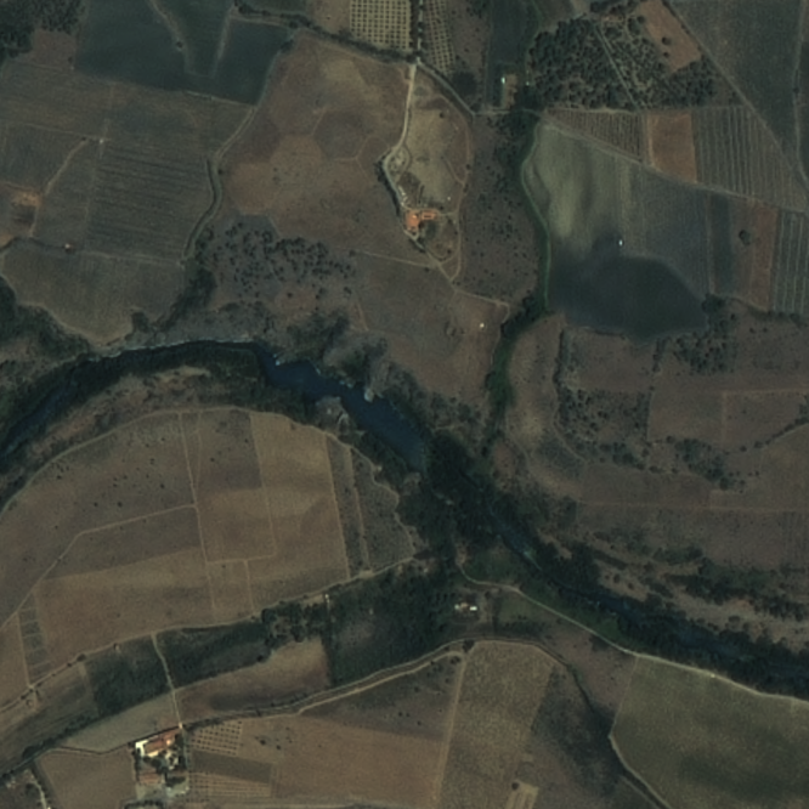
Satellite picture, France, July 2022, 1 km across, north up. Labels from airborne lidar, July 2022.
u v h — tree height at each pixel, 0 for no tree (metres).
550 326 0
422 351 0
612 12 9
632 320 0
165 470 0
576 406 7
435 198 0
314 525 0
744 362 0
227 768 0
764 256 0
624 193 0
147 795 0
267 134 0
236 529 0
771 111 0
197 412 0
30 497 0
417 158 0
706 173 0
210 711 0
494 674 0
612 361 0
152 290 0
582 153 0
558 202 0
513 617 0
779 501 0
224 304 0
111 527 0
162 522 0
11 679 0
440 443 12
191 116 0
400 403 10
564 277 0
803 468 0
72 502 0
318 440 0
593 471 0
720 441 0
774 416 0
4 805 0
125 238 0
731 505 0
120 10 0
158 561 0
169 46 0
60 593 0
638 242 0
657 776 0
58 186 0
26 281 0
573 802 0
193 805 0
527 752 0
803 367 0
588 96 7
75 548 0
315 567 0
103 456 0
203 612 0
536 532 8
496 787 0
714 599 7
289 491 0
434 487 6
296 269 6
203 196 0
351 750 0
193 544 0
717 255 0
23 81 0
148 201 0
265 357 0
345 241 0
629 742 0
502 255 0
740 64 0
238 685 0
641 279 0
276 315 0
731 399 0
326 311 0
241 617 0
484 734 0
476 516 13
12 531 0
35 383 6
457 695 0
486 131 0
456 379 0
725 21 0
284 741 0
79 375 8
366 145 0
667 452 0
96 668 0
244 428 0
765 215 0
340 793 0
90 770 0
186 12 0
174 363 9
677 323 0
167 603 0
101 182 0
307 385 0
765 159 0
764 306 0
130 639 0
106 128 0
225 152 0
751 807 0
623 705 0
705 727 0
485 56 6
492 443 15
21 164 0
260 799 0
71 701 0
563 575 8
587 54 9
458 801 0
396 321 0
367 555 0
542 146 0
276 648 12
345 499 0
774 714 0
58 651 0
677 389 0
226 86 0
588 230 0
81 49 0
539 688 0
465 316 0
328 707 0
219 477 0
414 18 10
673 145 0
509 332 16
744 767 0
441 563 9
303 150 0
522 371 0
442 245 0
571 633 0
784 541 0
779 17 0
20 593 0
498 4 0
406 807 0
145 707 0
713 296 6
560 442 0
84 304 0
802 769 0
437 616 13
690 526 0
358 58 0
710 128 0
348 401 0
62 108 0
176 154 0
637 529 0
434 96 0
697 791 0
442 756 0
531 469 0
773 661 7
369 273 0
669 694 0
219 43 0
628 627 13
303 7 0
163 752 6
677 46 0
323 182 0
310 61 0
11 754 0
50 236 0
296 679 0
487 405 0
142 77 0
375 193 0
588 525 0
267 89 0
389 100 0
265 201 0
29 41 10
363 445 11
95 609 0
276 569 0
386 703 0
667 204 0
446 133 0
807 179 0
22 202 0
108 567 0
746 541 0
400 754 0
